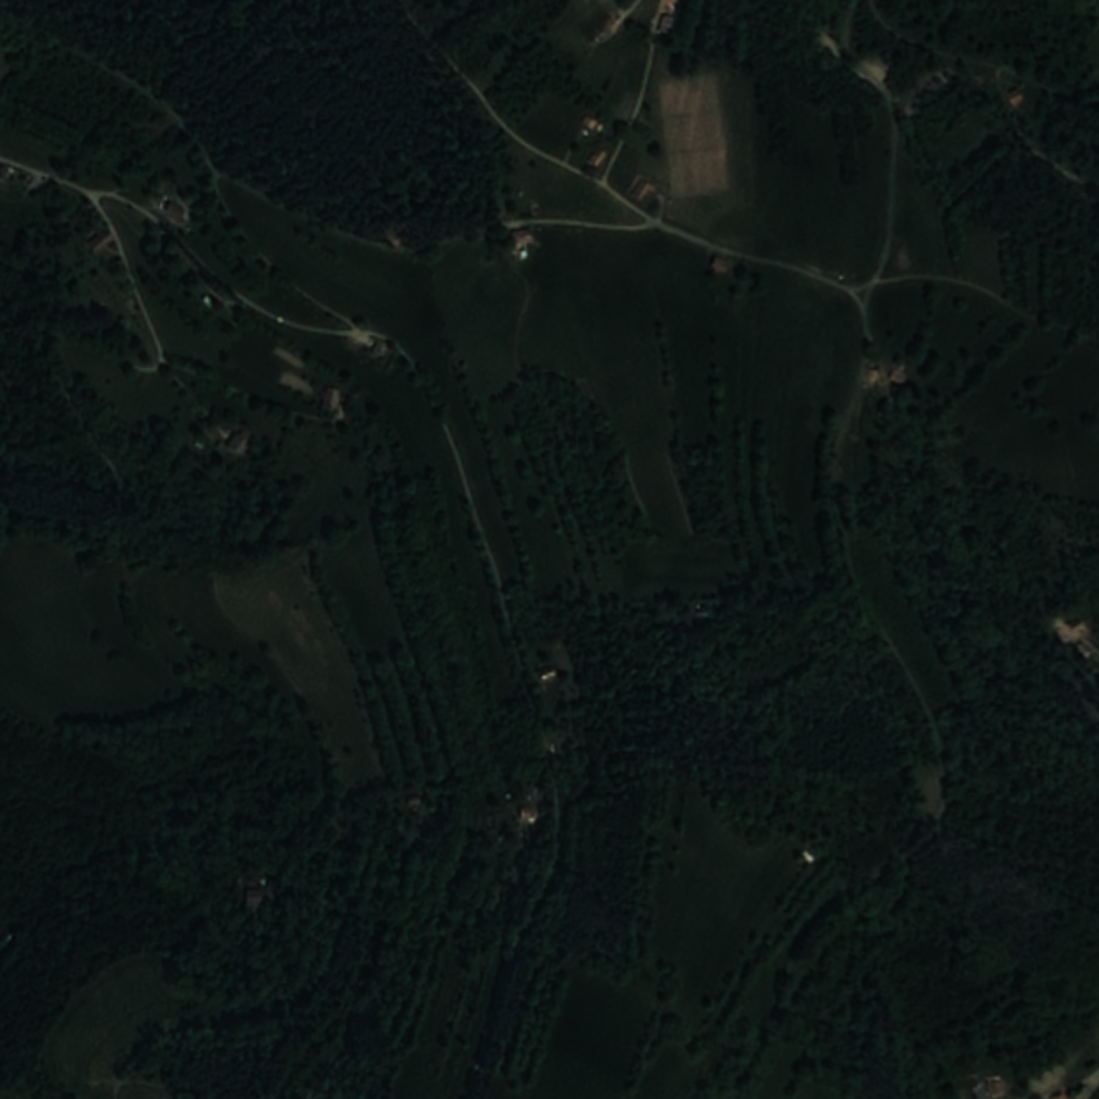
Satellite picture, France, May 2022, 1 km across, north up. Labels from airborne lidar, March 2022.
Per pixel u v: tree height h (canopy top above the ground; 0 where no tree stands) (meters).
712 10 22
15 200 0
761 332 0
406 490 20
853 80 15
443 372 0
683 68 20
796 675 15
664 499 0
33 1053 16
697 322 0
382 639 0
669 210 0
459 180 25
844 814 8
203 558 27
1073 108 17
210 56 24
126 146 8
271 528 22
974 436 0
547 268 0
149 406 0
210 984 29
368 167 19
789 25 16
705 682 19
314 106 17
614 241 0
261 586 0
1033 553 11
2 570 0
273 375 0
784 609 25
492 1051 20
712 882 0
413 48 21
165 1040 18
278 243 0
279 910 12
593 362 0
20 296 18
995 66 0
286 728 24
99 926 15
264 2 23
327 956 21
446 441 0
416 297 0
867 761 15
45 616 0
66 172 15
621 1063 0
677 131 0
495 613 7
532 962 16
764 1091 0
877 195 0
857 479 0
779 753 8
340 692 0
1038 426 0
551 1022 12
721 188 0
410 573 15
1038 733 26
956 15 15
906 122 17
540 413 15
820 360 0
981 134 0
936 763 15
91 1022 0
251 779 13
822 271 0
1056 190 19
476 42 7
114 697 0
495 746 13
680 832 10
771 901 0
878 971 11
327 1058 0
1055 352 0
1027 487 7
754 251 0
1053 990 24
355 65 20
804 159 0
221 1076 21
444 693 11
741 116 0
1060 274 11
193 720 25
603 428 7
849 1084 27
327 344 0
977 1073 0
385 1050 18
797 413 0
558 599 9
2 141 0
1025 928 21
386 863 11
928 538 23
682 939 0
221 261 11
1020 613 22
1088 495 0
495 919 17
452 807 20
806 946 17
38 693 0
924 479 18
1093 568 21
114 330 15
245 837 21
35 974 18
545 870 17
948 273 0
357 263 0
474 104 10
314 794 22
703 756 21
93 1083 0
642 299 0
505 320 0
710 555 0
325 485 0
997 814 9
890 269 0
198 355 0
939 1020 8
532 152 0
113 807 6
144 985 0
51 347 23
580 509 15
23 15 20
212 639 0
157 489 27
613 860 11
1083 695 22
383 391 0
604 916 21
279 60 21
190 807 23
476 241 13
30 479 24
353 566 0
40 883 7
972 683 20
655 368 0
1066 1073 0
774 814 7
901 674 11
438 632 17
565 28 0
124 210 0
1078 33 10
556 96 8
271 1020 26
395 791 15
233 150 26
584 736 16
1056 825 10
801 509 0
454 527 0
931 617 20
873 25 8
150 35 21
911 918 17
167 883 21
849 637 19
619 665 14
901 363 7
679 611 11
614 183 0
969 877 19
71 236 15
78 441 13
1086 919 27
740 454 8
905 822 7
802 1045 21
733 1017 11
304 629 0
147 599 0
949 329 0
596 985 0
